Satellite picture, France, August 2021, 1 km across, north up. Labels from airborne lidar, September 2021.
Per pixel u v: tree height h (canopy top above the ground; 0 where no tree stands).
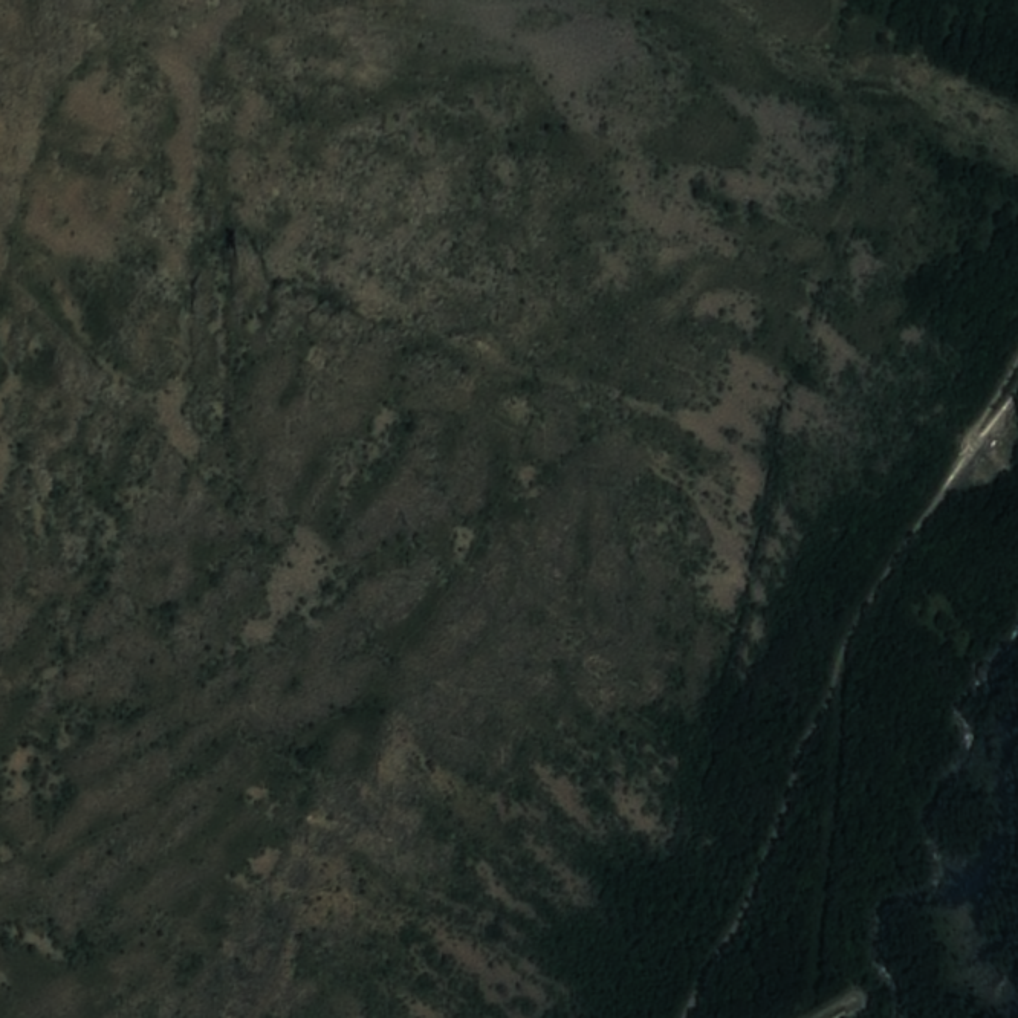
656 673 0
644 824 0
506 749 0
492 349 0
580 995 6
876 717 18
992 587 19
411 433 8
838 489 7
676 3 0
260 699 0
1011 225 12
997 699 17
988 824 10
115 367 7
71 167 0
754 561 8
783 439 8
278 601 0
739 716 20
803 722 17
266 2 0
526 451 0
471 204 6
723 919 13
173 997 0
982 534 23
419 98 0
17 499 0
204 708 0
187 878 0
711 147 0
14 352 0
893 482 8
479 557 0
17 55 0
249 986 8
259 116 0
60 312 0
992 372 8
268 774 0
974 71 11
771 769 16
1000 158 0
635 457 0
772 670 20
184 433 0
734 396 0
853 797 22
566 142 0
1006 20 13
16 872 0
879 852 22
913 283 14
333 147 0
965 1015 16
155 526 0
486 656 0
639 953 10
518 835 6
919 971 18
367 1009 8
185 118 0
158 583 0
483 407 0
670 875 16
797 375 9
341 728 0
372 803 0
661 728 8
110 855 8
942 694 20
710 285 0
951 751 11
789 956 25
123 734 0
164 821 0
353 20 0
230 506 7
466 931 6
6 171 0
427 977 7
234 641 6
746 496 0
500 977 0
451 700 0
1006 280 14
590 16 0
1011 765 9
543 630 0
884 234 6
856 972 22
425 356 6
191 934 0
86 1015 0
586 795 7
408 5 0
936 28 15
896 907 21
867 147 6
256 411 0
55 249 0
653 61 0
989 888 16
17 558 0
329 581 6
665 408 6
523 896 6
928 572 17
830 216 0
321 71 0
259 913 7
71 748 0
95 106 0
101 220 0
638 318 0
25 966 0
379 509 0
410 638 0
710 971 15
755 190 0
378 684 0
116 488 7
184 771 6
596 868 6
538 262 0
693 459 7
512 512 0
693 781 12
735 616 6
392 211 0
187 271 0
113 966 0
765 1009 22
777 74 0
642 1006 13
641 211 0
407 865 0
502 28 0
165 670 0
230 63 0
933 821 21
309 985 0
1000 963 15
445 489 6
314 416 0
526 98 0
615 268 0
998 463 0
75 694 0
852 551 13
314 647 0
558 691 0
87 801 0
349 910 0
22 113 0
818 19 0
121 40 0
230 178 0
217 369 0
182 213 0
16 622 0
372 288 0
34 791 9
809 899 22
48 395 0
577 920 7
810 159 0
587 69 0
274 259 0
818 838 16
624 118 0
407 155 0
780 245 0
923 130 6
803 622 17
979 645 19
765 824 16
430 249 0
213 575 7
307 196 0
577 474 0
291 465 0
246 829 0
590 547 0
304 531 0
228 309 0
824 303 7
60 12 0
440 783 0
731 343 0
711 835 10
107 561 6
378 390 0
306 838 6
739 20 0
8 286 0
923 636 15
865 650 15
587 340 0
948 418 6
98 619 0
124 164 0
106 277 0
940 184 8
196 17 0
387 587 0
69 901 0
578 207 0
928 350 7
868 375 9
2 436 0
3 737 0
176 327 0
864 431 7
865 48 0
